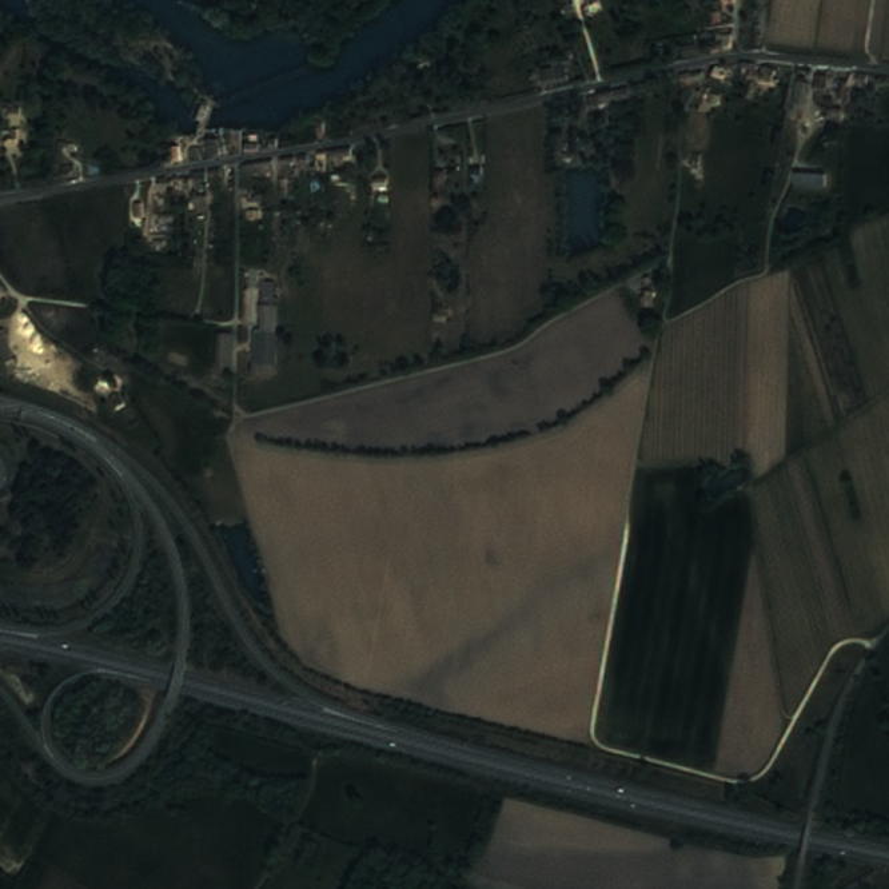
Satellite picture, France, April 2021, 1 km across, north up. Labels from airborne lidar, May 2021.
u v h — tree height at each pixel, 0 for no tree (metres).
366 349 0
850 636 0
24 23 19
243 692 0
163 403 0
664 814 0
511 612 0
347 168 10
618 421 0
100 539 0
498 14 9
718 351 0
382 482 0
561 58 10
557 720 0
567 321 0
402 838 0
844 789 0
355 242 0
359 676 0
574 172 0
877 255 0
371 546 0
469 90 16
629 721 0
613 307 0
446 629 0
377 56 0
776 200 0
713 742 0
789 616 0
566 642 0
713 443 0
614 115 9
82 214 0
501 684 0
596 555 0
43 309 0
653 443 0
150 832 0
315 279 0
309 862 9
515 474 0
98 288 0
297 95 0
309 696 0
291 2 16
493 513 0
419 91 13
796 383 0
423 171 0
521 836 0
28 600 0
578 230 0
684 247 0
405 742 0
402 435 0
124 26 22
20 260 0
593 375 0
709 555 0
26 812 0
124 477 0
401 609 0
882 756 0
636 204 0
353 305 0
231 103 0
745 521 0
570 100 13
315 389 0
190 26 0
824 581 0
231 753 0
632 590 0
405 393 0
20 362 0
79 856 0
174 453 0
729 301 0
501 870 0
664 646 0
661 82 13
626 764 0
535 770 0
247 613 11
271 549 0
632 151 15
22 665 13
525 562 0
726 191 0
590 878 0
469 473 0
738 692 0
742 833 0
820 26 0
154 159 8
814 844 0
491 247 0
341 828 0
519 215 0
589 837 0
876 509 0
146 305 24
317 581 0
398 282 0
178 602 0
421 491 0
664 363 0
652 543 0
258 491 0
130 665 0
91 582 0
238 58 0
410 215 0
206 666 13
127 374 0
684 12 23
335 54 17
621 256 0
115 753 17
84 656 0
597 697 0
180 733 15
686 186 0
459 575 0
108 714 19
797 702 0
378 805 0
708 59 0
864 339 0
